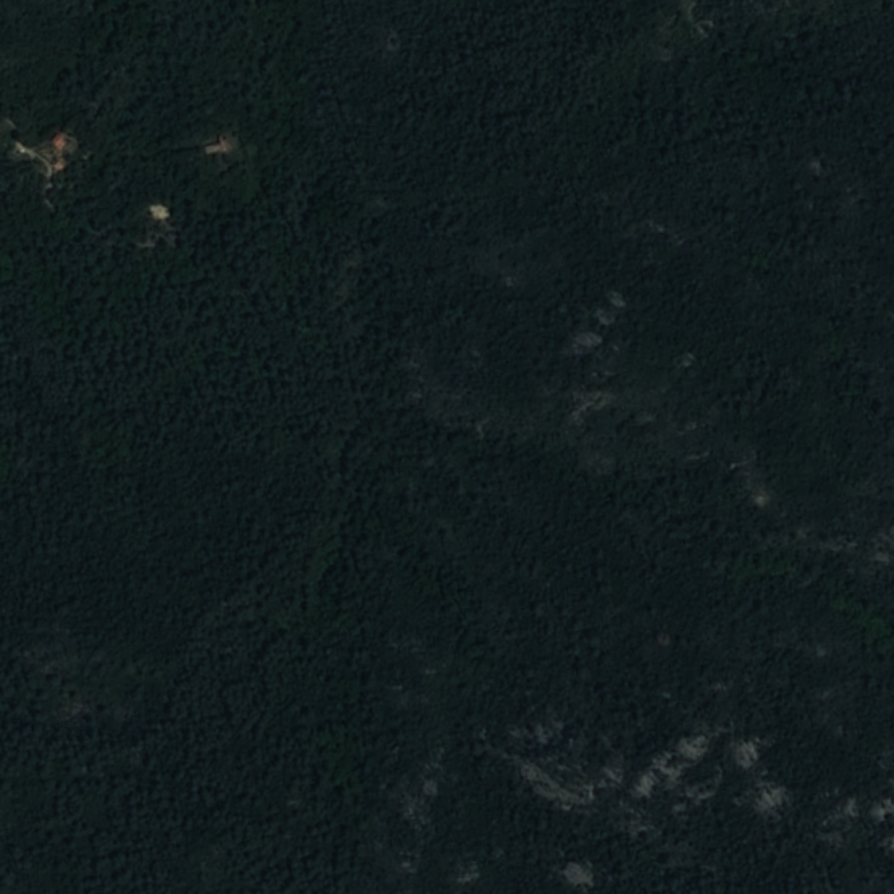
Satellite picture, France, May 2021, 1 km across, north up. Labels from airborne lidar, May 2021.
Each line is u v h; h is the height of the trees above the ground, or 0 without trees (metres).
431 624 7
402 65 7
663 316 7
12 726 24
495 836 12
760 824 6
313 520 19
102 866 22
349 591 25
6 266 10
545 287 6
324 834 11
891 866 11
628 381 6
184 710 27
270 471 15
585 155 19
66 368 32
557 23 26
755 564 16
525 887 12
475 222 11
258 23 10
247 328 26
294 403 23
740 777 12
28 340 27
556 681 7
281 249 13
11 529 10
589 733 10
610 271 8
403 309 7
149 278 13
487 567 8
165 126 14
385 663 7
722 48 20
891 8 18
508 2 12
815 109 12
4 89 11
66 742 19
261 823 9
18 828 6
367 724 15
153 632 9
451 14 6
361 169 23
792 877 16
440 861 6
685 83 7
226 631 22
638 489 23
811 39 27
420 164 9
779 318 7
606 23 21
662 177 11
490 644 8
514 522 10
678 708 8
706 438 6
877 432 9
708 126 11
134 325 21
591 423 6
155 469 11
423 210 9
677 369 8
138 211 16
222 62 10
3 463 17
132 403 19
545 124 14
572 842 10
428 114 26
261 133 16
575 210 8
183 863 5
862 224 6
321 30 8
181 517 9
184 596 10
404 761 8
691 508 7
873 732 8
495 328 14
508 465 10
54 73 7
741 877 8
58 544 14
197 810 8
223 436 21
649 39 8
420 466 9
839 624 7
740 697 10
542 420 7
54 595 19
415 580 12
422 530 8
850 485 7
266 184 14
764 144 12
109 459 16
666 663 9
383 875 6
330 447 30
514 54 25
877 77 10
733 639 9
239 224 13
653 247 10
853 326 8
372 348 25
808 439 10
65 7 17
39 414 15
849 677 9
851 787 8
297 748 18
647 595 8
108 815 7
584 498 9
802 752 10
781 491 9
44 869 9
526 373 10
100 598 9
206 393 22
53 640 8
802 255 7
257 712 26
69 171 14
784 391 14
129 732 11
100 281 13
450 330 11
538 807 9
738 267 11
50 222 12
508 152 11
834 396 12
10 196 21
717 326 7
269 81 23
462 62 11
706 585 10
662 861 8
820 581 18
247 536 10
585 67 19
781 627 7
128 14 26
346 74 10
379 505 24
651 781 0
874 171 7
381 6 7
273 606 6
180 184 9
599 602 8
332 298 23
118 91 12
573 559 7
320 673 14
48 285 14
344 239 25
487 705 14
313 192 31
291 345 24
